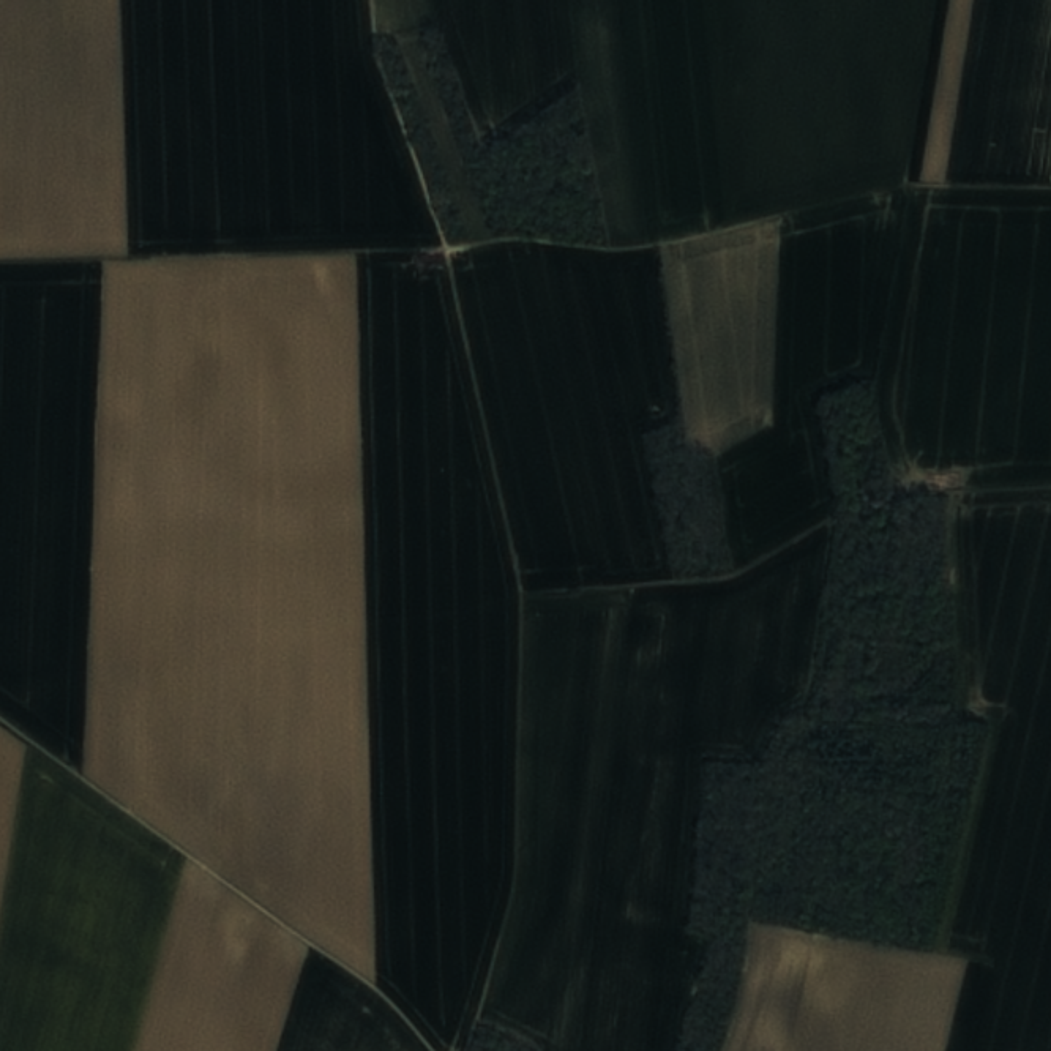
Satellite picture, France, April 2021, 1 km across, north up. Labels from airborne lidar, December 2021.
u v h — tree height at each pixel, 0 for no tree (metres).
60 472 0
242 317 0
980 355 0
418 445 0
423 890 0
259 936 0
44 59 0
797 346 0
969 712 0
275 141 0
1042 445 0
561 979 0
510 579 0
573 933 0
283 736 0
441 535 0
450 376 0
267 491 0
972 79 0
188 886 0
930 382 0
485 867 0
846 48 0
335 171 0
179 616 0
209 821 0
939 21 0
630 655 0
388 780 0
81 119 0
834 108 0
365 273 0
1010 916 0
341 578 0
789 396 0
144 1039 0
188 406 0
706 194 0
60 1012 0
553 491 0
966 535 0
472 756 0
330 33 0
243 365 0
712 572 14
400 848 0
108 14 0
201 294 0
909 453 0
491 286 0
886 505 17
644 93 0
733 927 17
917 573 26
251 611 0
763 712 0
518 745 0
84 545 0
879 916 22
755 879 19
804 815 12
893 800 21
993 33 0
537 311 0
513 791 0
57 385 0
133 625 0
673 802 0
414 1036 0
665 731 0
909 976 0
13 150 0
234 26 0
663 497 15
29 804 0
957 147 0
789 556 0
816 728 7
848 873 22
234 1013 0
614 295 0
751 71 0
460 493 0
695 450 16
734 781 17
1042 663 0
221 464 0
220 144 0
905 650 9
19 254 0
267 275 0
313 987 0
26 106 0
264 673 0
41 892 0
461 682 0
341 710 0
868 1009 0
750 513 0
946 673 8
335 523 0
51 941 0
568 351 0
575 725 0
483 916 0
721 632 0
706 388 0
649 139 0
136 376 0
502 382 0
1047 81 0
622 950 0
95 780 0
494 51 0
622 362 0
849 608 9
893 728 19
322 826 0
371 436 0
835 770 16
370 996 0
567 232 15
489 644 0
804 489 0
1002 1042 0
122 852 0
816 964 0
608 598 0
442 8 0
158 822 0
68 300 0
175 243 0
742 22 0
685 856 0
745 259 0
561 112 16
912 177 0
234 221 0
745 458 0
